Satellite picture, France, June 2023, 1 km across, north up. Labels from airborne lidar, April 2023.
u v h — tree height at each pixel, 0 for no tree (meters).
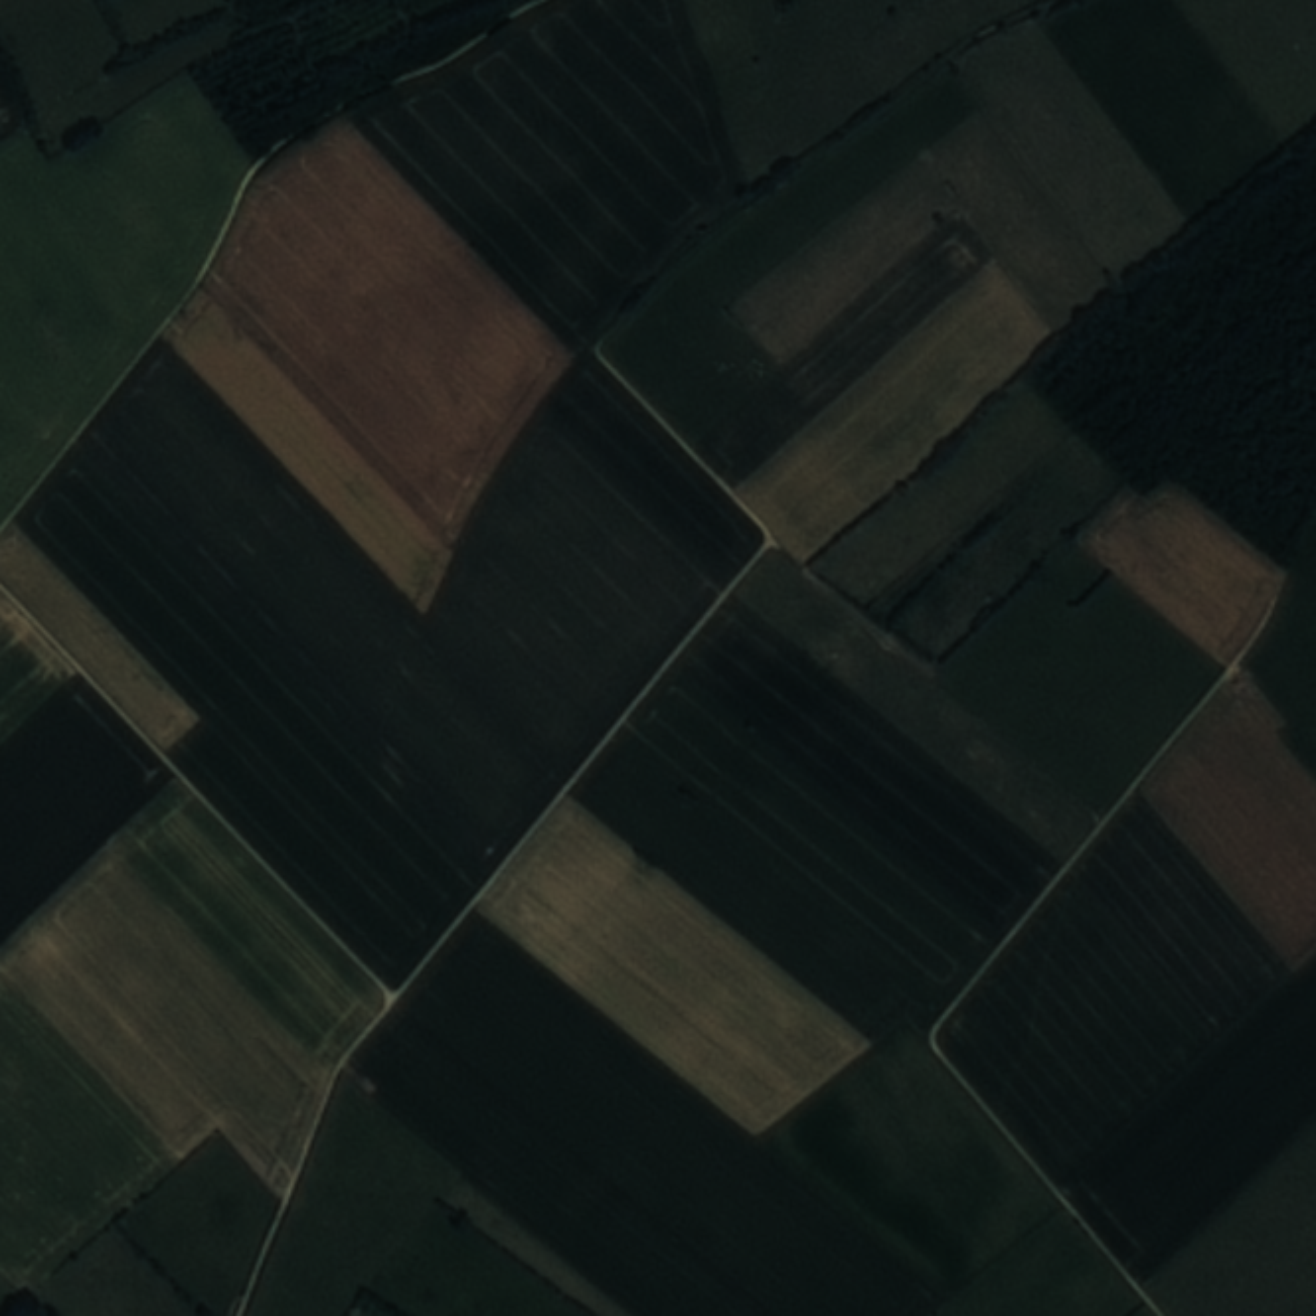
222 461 0
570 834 0
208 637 0
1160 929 0
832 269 0
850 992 0
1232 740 0
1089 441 7
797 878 0
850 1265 0
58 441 0
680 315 0
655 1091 0
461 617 0
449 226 0
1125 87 0
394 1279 0
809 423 0
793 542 0
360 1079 0
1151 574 0
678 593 0
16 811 0
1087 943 0
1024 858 0
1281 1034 0
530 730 0
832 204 0
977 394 0
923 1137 0
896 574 0
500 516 0
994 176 0
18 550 0
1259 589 0
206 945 0
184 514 0
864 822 0
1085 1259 0
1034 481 0
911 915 0
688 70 0
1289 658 0
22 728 0
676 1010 0
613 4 0
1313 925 0
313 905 0
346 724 0
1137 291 18
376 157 0
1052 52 0
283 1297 0
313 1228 0
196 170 0
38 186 0
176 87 0
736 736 0
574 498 0
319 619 0
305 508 0
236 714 0
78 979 0
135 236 0
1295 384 18
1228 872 0
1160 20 0
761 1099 0
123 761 0
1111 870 0
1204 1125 0
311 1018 0
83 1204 0
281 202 0
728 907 0
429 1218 0
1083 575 0
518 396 0
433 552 0
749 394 0
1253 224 19
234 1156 0
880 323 0
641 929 0
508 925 0
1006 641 0
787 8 6
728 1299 0
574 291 0
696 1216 0
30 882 0
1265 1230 0
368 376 0
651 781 0
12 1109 0
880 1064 0
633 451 0
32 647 0
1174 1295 0
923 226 0
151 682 0
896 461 0
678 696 0
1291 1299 0
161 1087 0
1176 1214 0
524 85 0
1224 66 0
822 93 0
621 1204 0
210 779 0
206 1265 0
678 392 0
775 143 0
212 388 0
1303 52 0
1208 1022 0
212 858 0
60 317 0
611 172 0
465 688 0
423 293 0
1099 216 0
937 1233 0
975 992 0
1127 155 0
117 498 0
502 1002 0
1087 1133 0
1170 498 0
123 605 0
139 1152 0
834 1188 0
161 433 0
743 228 0
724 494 0
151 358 0
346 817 0
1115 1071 0
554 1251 0
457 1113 0
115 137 0
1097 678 0
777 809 0
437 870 0
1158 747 0
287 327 0
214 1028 0
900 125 0
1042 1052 0
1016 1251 0
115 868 0
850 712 0
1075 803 0
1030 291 0
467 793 0
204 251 0
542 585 0
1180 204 0
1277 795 0
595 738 0
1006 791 0
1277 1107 0
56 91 0
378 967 0
